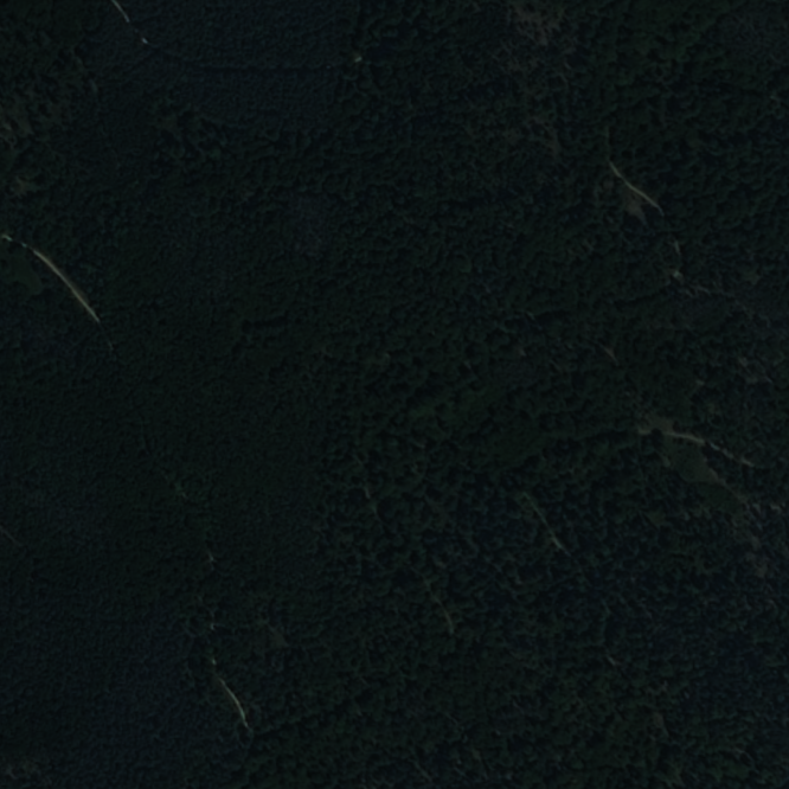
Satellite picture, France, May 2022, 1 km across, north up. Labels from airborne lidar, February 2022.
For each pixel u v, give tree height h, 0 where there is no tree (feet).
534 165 42
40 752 90
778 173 91
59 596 86
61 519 57
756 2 103
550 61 61
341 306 88
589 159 42
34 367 68
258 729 47
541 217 99
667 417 43
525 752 108
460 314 106
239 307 43
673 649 120
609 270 97
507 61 25
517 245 72
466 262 86
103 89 44
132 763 113
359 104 84
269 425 43
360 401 56
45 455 38
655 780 101
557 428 109
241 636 84
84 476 70
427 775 103
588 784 105
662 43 121
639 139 33
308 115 88
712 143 114
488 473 107
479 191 25
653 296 68
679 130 32
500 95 99
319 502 51
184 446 63
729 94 90
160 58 95
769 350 83
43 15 29
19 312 75
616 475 124
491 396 77
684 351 56
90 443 64
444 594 20
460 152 102
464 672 93
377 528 41
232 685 61
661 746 45
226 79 96
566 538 81
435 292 100
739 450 88
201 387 54
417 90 96
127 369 54
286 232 50
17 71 23
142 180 43
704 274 77
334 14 73
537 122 0
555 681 95
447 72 99
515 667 67
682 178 112
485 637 103
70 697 79
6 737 88
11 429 44
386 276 99
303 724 108
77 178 22
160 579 75
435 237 83
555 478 46
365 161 97
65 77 105
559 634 26
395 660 107
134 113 36
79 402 73
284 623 84
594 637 108
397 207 94
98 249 46
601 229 88
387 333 96
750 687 122
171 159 91
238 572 69
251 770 84
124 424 69
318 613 44
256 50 91
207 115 87
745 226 100
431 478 124
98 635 70
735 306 70
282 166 92
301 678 78
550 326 101
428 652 103
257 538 52
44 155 67
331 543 70
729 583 132
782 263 32
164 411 55
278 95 87
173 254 61
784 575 98
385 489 99
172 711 117
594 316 82
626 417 92
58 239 57
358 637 83
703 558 33
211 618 50
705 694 112
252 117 92
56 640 98
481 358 94
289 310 63
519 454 91
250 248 61
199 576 62
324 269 74
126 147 39
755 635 121
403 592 112
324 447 91
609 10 82
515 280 91
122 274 61
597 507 69
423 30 74
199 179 75
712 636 121
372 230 88
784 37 96
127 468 71
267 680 64
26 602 81
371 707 107
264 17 77
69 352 83
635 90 98
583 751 114
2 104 103
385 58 103
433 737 92
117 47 100
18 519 50
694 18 93
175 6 97
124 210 55
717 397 86
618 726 120
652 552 113
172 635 104
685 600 139
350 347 76
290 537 48
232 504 54
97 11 73
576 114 81
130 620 81
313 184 81
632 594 54
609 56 70
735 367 33
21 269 0
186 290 53
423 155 90
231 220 55
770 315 29
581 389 99
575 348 110
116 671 95
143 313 65
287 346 69
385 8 89
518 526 116
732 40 107
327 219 77
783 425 25
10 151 81
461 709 101
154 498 65
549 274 93
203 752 82
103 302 60
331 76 102
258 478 43
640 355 70
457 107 95
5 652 97
